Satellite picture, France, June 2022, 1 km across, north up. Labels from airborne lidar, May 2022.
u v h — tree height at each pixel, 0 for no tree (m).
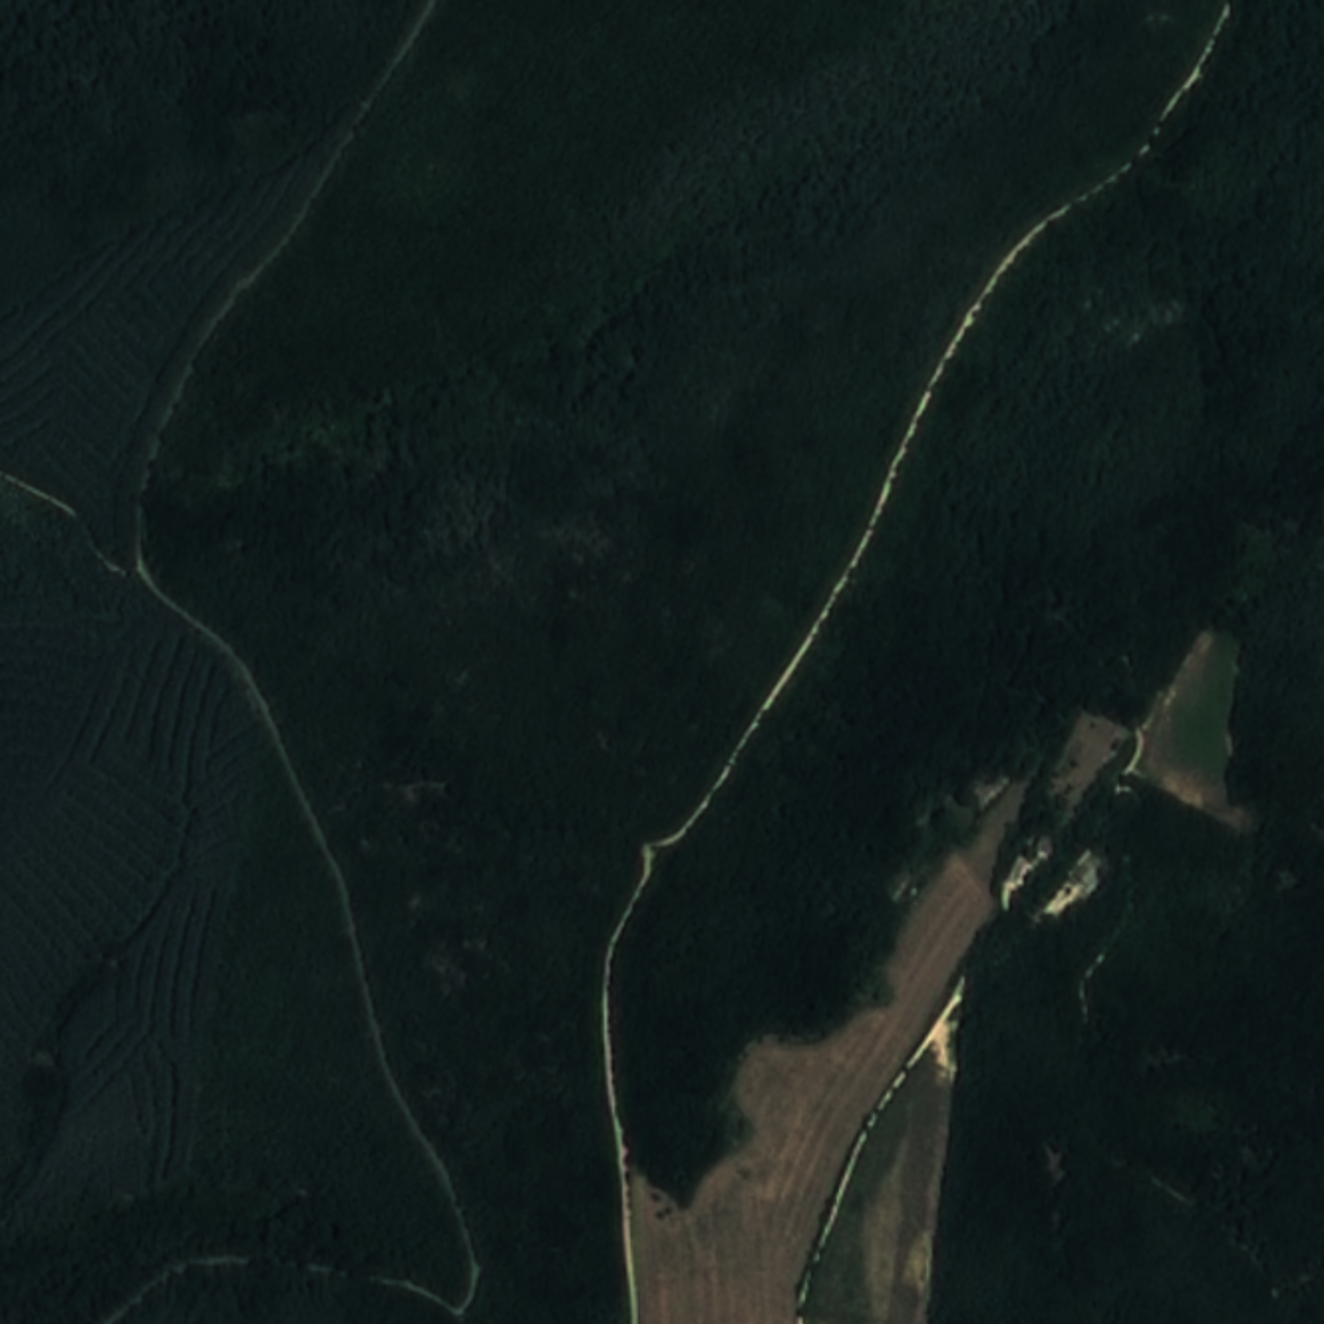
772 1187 0
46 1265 9
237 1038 6
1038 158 6
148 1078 12
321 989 6
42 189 7
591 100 8
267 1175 11
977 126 12
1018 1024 9
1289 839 15
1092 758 0
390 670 9
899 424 9
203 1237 7
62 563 13
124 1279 12
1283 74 11
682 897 15
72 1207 7
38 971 17
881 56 10
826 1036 9
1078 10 20
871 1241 0
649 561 7
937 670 12
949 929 0
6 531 8
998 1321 6
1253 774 15
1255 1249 11
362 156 8
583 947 10
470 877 10
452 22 9
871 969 12
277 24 12
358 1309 7
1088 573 12
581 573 8
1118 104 8
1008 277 7
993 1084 9
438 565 9
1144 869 11
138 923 16
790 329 7
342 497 14
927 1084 0
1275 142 10
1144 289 5
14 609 16
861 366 8
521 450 10
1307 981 17
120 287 15
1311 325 9
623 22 8
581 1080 8
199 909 18
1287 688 8
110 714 9
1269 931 22
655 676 9
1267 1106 13
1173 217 14
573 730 7
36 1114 13
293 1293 11
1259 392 14
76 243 7
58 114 7
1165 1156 13
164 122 8
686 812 8
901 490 8
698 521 8
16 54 15
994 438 9
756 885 8
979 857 0
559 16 11
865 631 13
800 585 9
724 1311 0
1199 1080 15
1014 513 8
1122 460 6
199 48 14
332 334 8
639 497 7
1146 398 7
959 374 12
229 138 11
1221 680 0
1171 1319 10
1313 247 6
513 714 8
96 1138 9
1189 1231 11
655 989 20
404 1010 9
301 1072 8
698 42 9
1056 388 9
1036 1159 16
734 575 7
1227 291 10
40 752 11
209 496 16
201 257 11
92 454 11
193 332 15
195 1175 8
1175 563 14
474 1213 8
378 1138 9
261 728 12
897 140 20
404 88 6
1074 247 13
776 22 10
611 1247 10
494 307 12
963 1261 11
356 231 6
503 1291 8
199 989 14
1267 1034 15
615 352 19
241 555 9
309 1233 20
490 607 5
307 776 8
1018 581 11
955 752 10
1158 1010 21
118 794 17
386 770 12
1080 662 13
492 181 8
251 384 12
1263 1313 12
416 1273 9
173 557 14
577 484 8
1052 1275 13
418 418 17
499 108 11
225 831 16
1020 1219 13
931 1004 0
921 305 7
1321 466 11
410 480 17
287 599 12
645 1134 15
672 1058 14
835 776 15
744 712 11
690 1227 0
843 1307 0
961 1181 12
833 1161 0
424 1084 10
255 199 12
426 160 7
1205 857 10
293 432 10
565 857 10
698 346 9
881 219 7
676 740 8
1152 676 10
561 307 6
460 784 18
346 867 7
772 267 8
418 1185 8
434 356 14
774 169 11
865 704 15
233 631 9
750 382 8
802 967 15
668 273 13
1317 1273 11
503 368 17
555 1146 10
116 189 8
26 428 15
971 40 12
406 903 8
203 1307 6
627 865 7
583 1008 9
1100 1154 13
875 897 14
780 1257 0
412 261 9
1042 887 11
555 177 10
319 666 9
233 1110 8
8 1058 13
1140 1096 15
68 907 14
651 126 15
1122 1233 12
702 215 13
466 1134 7
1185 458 9
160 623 15
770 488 10
